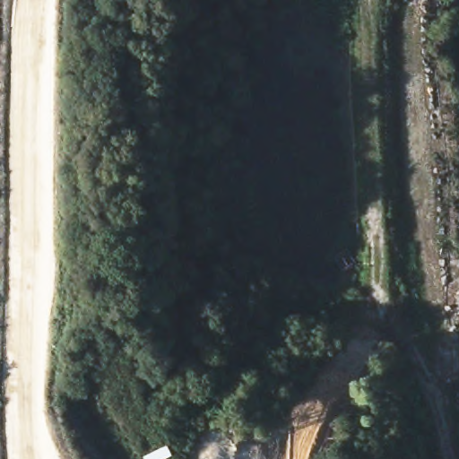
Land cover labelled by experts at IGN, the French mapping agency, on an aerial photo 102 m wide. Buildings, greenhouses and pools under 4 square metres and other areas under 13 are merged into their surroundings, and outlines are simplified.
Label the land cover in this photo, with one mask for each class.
<instances>
[{"label":"deciduous trees","instance_id":"1","mask_svg":"<svg viewBox=\"0 0 459 459\"><path fill-rule=\"evenodd\" d=\"M360 0H77L70 5V11L77 14L79 22L77 39L68 43L65 54L68 57L82 54V57L75 61L68 72L61 66L59 70L77 84V90L91 106V117L95 124L93 138H97L99 142L91 147L86 158L88 179L91 183L88 194L99 213V224L106 231L104 247L100 249L93 276L88 281L91 299L99 305L95 308V325L90 326L88 330L74 328L70 332V337L75 342V350L70 353L75 373L74 377L68 378L66 384L59 389L63 425L79 459H143L145 455L163 446L169 448L172 459H199L204 448L217 439L219 432L235 430L242 437L253 434L255 439L265 441L271 437L269 432L278 425L274 418L285 411L287 405L296 407L299 403L310 402L305 396V391L308 385L312 384L314 375L335 364L332 359L333 351L339 350L341 346L348 348L350 342L357 339L351 333L350 319L339 316L337 310L326 307L323 303L326 299L344 292L346 299L359 298L357 290L350 289V283L359 274L360 251L351 242L346 244L344 240L337 238L339 231L348 233L357 221L350 213L344 219L339 215H333L335 203H341L335 194L342 190H350L353 186V163L348 161L351 147L344 145L339 136L344 124L339 118V106L344 104L346 91L350 88L346 86L344 70L330 72L325 66V59L339 56L342 50H351L357 38L353 16L359 11ZM448 32L459 34V9L452 18H448V13L439 14L436 22L430 25V29H425L423 41V47L427 48L429 45L436 48L441 41L448 38ZM439 246L443 249V260L459 258V237L457 233L448 235L443 231L439 240ZM389 296L387 303L396 310V314H400L402 310L398 301H402L403 298L421 299L425 296V273L418 238H414L409 244L407 273L398 278L387 269L384 287ZM368 373L359 380L350 382V396L355 403L351 405L350 411L335 420L332 443L319 454H314L310 450L308 459H342L339 448L342 441L369 454H378V430L371 421L377 418L378 405L373 402V398L380 393V375L384 369L377 357H369Z\"/></svg>","mask_w":459,"mask_h":459},{"label":"pervious surface","instance_id":"2","mask_svg":"<svg viewBox=\"0 0 459 459\"><path fill-rule=\"evenodd\" d=\"M4 34H9L13 41L9 118V377L5 380L7 459H61L50 432L52 425L47 418L45 400L50 308L56 292L57 274L52 178L56 147L54 97L57 0H2ZM459 9V0H378L375 48L377 66H360L351 50H342L339 56L325 59V66L330 72L344 70L346 86L350 88L346 91L344 104L339 106V118L344 124L339 136L344 145L351 147L348 161L353 163V186L350 190H342L335 194L341 203H335L333 215H339L344 219L350 213L357 221L348 233L339 231L337 238L344 240L346 244L351 242L360 251L369 244L371 255H375V249L385 244L387 269L398 278L407 273L409 244L414 238H418L425 273V296L421 299L403 298L402 301H398L402 310L400 314H396V310L387 303L389 296L384 287L378 283L371 289V285H364L360 281L359 274L350 283V289L357 290L359 298L346 299L344 292L326 299L323 303L326 307L337 310L339 316L350 319L351 333L357 339L350 342L348 348L341 346L339 350L333 351L332 359L335 364L314 375L312 384L308 385L305 391V396L310 402L299 403L296 407L287 405L285 411L274 418L278 425L269 432L271 437L265 441L255 439L253 434L242 437L235 430L219 432L217 439L204 448L199 459H308L310 450L314 454H319L332 443L335 420L350 411L351 405L355 403L350 396V382L359 380L368 373L369 357H377L384 369L393 360L394 351L407 357V362L411 366L412 387L420 396L423 409L429 414L432 427L430 443L436 448V459H459V258L443 260V249L439 246V240L443 231L448 235L457 233L459 237V34L448 32V38L441 41L436 48L429 45L427 48L423 47V41L425 29H430V25L436 22L439 14L448 13V18H452Z\"/></svg>","mask_w":459,"mask_h":459},{"label":"herbaceous vegetation","instance_id":"3","mask_svg":"<svg viewBox=\"0 0 459 459\"><path fill-rule=\"evenodd\" d=\"M13 41L9 34H4L2 0H0V459H7L5 380L9 377V118ZM77 0H57L54 97L56 147L52 178L57 274L56 292L50 308L45 400L47 418L52 425L50 432L61 459H79L63 425L59 389L66 384L68 378L74 377L75 373L70 353L75 350V342L70 337V332L74 328L88 330L90 326L95 325V308L99 305L91 299L88 281L93 276L100 249L104 247L106 231L99 224V213L88 194L91 183L88 179L86 158L91 147L99 142L97 138H93L95 124L91 117V106L77 90V84L59 70L61 66L68 72L75 61L82 57V54L68 57L65 54L68 43L77 39L79 22L77 14L70 11V5ZM378 0H360L359 11L353 16L357 38L351 50L360 66H377L375 48ZM359 274L360 281L364 285H371V289L378 283L384 287L387 269L385 244L375 249V255H371L369 244L360 251Z\"/></svg>","mask_w":459,"mask_h":459},{"label":"brushwood","instance_id":"4","mask_svg":"<svg viewBox=\"0 0 459 459\"><path fill-rule=\"evenodd\" d=\"M380 393L373 398V402L378 405L377 418L371 421L378 430V454H369L342 441L339 448L342 459H436V448L430 443L432 427L429 414L423 409L420 396L412 387L411 366L407 362V357L394 351L393 360L384 369L380 375Z\"/></svg>","mask_w":459,"mask_h":459},{"label":"building","instance_id":"5","mask_svg":"<svg viewBox=\"0 0 459 459\"><path fill-rule=\"evenodd\" d=\"M143 459H172L169 448L163 446L145 455Z\"/></svg>","mask_w":459,"mask_h":459}]
</instances>
